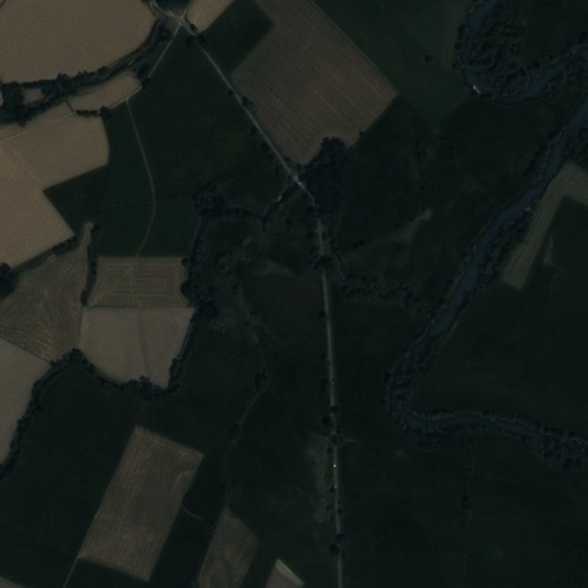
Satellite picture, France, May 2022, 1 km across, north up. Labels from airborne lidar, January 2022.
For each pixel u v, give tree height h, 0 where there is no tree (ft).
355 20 0
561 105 0
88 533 0
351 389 0
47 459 0
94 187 0
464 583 0
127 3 0
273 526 0
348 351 0
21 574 0
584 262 0
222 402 0
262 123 0
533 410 0
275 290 0
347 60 0
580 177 0
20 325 0
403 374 38
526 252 0
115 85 0
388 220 0
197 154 0
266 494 0
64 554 0
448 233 0
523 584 0
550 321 0
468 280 0
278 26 0
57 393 0
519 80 47
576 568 0
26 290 0
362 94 0
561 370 0
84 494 0
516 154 0
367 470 0
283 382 0
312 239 42
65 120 0
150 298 0
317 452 0
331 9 0
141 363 0
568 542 0
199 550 0
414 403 0
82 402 0
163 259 0
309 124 0
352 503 0
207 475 0
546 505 0
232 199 0
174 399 0
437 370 0
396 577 0
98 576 0
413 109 0
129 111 0
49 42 0
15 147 0
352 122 0
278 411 0
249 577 0
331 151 85
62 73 0
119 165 0
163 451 0
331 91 0
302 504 0
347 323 0
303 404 0
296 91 0
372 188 0
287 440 0
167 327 0
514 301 0
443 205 0
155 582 0
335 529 0
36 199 0
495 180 0
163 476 0
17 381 0
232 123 0
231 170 0
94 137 0
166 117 0
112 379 0
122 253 0
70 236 0
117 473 0
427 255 0
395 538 0
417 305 33
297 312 0
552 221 0
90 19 0
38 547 0
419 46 0
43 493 0
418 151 0
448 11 0
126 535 0
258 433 0
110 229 0
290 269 0
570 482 0
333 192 111
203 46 50
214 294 36
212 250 0
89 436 0
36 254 0
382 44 0
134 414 0
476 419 0
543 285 0
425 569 0
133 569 0
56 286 0
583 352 0
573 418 0
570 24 0
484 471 0
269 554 0
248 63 0
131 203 0
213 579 0
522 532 0
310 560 0
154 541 0
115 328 0
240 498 0
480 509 0
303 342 0
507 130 0
